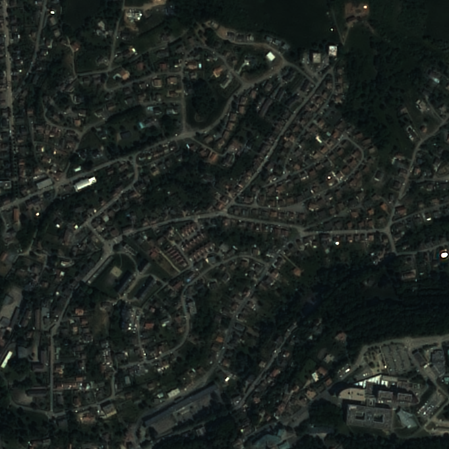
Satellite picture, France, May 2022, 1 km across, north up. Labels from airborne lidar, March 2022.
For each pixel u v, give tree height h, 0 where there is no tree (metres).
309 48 0
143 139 15
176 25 0
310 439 15
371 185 0
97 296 16
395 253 0
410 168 0
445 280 26
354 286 24
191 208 8
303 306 0
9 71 0
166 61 8
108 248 0
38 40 0
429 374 0
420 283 8
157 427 0
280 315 16
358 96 9
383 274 0
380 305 21
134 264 0
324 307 20
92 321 0
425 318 27
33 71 8
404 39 5
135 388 19
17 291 0
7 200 0
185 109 0
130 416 0
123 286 0
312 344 15
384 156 0
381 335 24
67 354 6
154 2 0
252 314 0
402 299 23
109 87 0
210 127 0
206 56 6
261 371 0
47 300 0
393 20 0
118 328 0
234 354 7
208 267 0
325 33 0
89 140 0
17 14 0
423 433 0
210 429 15
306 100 0
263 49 0
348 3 0
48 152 6
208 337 11
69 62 0
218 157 0
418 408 0
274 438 0
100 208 0
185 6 24
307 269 0
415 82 8
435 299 15
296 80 0
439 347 0
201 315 17
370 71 0
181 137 0
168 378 0
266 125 0
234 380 0
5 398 15
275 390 8
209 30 13
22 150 0
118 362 0
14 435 17
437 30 0
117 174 7
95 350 12
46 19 0
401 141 0
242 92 0
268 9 0
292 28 0
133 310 0
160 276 0
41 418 0
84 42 11
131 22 0
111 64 0
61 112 0
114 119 14
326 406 23
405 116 6
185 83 14
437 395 0
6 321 0
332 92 0
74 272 0
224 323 11
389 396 0
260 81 0
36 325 0
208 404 0
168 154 0
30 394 0
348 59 11
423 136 0
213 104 23
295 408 0
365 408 0
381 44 8
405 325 24
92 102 13
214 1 13
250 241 14
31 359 17
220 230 16
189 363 15
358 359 0
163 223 0
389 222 0
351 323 23
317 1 0
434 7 0
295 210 0
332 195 9
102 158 0
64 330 0
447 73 9
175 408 0
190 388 0
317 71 0
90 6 0
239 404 0
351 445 20
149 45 0
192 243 0
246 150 0
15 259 0
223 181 0
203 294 13
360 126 13
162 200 0
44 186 0
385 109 17
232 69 0
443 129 6
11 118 0
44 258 0
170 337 0
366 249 0
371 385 0
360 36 0
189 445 18
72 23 0
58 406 15
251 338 14
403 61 6
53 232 0
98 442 14
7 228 0
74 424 13
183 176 9
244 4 0
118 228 0
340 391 0
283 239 0
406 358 0
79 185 0
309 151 0
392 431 0
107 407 0
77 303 12
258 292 7
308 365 0
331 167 0
